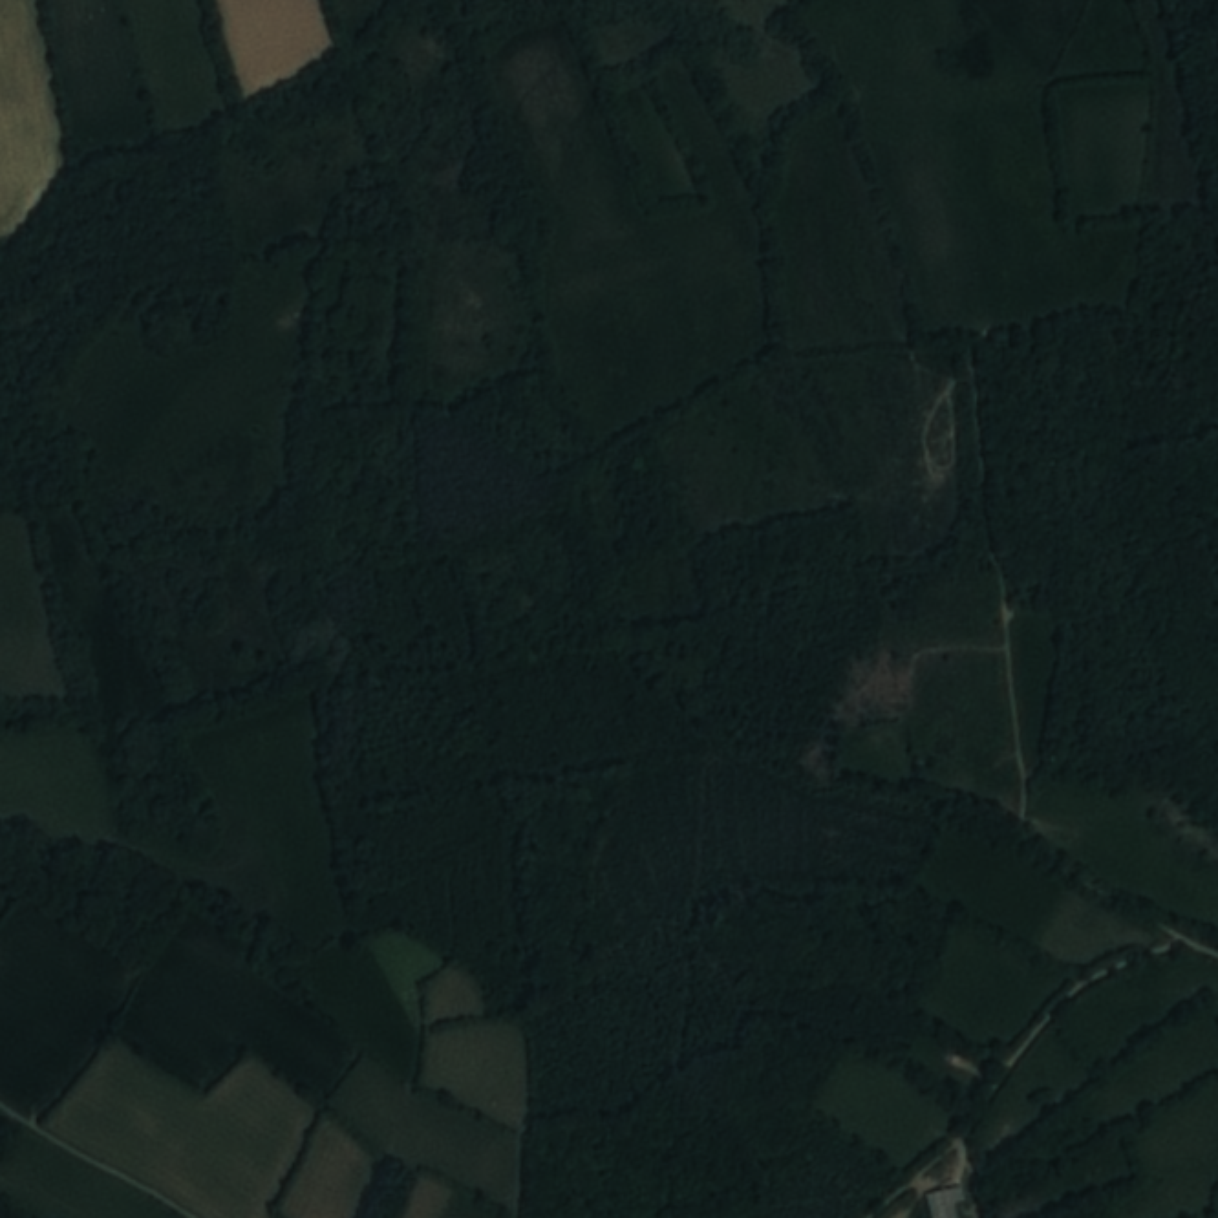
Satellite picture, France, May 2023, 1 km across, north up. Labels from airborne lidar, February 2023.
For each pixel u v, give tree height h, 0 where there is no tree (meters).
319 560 16
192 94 0
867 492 0
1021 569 12
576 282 0
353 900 19
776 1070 20
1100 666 9
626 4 11
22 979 0
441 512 19
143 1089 0
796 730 9
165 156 17
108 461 0
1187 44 17
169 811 9
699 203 12
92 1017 0
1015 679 0
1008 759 0
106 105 0
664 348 0
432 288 0
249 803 0
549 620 8
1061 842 0
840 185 0
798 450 0
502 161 11
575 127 0
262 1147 0
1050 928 0
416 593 6
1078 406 8
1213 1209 7
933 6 0
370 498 12
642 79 9
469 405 14
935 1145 7
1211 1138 0
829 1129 7
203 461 0
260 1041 0
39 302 11
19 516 10
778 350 11
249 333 0
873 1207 11
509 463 21
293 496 13
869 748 0
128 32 7
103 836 0
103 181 14
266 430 0
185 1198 0
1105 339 12
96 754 0
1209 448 18
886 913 20
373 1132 0
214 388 0
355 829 8
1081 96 0
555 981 21
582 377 0
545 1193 12
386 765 9
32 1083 0
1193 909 0
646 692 19
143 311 7
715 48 6
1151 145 0
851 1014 15
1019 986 0
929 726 0
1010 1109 0
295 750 0
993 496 15
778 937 19
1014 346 12
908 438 0
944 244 0
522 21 12
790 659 10
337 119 14
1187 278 8
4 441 16
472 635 15
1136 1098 0
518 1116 0
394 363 12
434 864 8
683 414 9
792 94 0
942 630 0
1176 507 18
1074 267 0
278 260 16
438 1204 0
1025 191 0
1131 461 18
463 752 7
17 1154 0
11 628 0
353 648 14
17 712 6
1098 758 12
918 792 15
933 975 11
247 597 0
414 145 6
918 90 0
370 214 8
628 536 9
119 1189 0
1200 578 18
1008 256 0
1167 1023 7
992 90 0
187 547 16
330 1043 0
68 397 0
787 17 16
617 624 13
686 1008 7
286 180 0
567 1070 7
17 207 0
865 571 11
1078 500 12
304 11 0
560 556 6
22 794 0
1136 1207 0
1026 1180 20
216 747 0
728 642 15
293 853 0
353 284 9
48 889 18
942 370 0
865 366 0
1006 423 7
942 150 0
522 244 15
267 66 0
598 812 19
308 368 12
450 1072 0
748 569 14
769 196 16
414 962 0
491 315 0
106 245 17
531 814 17
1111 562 9
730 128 14
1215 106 13
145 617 11
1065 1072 0
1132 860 0
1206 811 22
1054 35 0
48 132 0
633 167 11
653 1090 6
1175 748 16
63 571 0
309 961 11
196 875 0
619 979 6
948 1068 0
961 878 0
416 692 9
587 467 17
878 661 13
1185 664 18
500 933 6
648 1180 10
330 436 11
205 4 12
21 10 0
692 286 0
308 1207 0
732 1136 18
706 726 23
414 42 0
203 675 0
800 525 13
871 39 0
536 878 17
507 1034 0
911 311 11
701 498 0
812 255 0
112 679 0
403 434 12
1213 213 17
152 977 0
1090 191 0
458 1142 0
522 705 5
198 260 21
